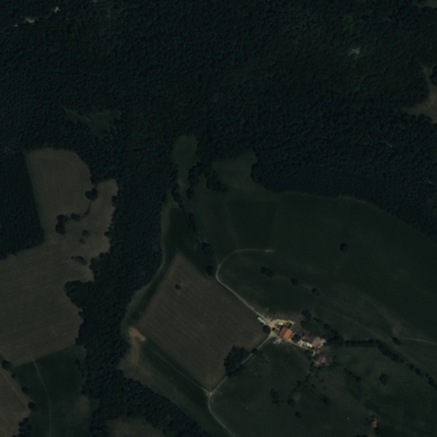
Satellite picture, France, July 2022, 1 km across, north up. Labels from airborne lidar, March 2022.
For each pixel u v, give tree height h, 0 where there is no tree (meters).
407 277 0
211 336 0
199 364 0
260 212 0
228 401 0
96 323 21
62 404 0
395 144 29
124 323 0
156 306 0
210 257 19
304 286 0
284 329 0
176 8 16
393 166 21
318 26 33
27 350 0
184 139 0
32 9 17
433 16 21
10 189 16
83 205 0
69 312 0
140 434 0
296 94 20
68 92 25
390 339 0
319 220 0
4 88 33
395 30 31
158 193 25
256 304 0
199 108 22
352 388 0
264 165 23
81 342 15
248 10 26
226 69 19
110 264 17
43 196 0
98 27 16
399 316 0
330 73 30
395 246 0
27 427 8
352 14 31
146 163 32
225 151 30
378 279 0
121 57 22
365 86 27
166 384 0
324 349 0
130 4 29
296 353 0
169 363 0
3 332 0
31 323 0
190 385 0
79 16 12
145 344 0
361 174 12
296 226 0
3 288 0
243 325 0
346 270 0
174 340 0
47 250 0
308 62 27
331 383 0
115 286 21
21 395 0
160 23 31
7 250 13
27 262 0
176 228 0
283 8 28
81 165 0
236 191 0
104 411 17
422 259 0
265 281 0
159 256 23
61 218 16
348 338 0
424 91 18
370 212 0
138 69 19
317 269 0
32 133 24
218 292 0
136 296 0
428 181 11
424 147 25
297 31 19
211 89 19
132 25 33
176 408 21
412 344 0
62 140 25
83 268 0
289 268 0
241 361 8
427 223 16
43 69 26
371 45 17
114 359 16
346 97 26
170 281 0
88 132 25
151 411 20
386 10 23
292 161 10
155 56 28
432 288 0
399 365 0
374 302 0
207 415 0
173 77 28
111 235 17
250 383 0
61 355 0
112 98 20
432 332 0
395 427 0
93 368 21
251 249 0
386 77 30
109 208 0
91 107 19
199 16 26
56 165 0
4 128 25
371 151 35
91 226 0
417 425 0
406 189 20
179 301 0
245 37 30
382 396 0
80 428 0
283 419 0
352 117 31
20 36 24
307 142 35
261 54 17
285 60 19
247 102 33
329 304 0
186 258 0
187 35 16
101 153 29
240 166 0
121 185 16
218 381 0
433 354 0
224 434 0
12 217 16
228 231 0
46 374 0
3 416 0
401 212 11
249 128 26
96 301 19
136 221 23
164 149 32
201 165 18
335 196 12
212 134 32
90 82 20
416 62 18
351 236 0
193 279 0
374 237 0
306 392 0
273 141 31
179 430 7
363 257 0
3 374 0
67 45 24
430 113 0
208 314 0
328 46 20
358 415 0
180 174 0
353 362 0
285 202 0
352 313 0
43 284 0
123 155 16
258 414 0
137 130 23
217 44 32
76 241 0
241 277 0
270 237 0
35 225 17
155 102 24
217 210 0
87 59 23
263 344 0
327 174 14
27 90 30
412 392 0
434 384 14
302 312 0
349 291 0
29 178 13
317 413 0
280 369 0
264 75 34
